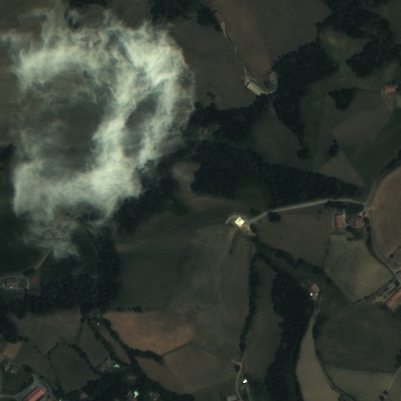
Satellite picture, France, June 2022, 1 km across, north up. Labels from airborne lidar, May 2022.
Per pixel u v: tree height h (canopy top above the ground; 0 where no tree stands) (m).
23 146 0
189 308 0
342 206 15
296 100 16
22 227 0
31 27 0
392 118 0
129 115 0
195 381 0
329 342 0
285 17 0
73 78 0
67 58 0
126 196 21
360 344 0
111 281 24
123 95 0
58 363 0
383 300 0
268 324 0
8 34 0
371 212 0
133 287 0
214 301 0
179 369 0
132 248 0
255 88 0
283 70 20
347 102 6
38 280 0
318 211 8
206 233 0
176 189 0
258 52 0
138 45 0
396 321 0
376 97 0
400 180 0
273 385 22
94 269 0
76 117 0
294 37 0
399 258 0
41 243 0
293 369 0
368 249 0
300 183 23
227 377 0
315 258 0
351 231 12
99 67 0
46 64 0
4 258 0
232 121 24
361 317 0
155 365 0
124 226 16
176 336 0
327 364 0
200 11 12
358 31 21
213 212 0
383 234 0
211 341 0
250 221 0
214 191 16
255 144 0
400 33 0
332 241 0
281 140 0
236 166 23
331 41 0
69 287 33
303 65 16
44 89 0
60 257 0
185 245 0
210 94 23
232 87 0
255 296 16
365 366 0
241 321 0
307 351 0
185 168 0
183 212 0
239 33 0
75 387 0
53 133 0
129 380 0
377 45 18
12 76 0
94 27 0
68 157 0
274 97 17
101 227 21
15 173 0
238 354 0
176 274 0
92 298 28
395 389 0
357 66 18
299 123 17
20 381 0
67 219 8
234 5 0
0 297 19
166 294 0
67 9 10
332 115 0
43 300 26
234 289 0
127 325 0
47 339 0
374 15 7
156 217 0
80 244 0
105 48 0
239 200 0
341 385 0
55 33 0
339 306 0
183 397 17
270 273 0
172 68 0
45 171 0
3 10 0
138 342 0
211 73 0
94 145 0
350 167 0
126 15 0
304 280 0
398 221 0
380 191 0
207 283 0
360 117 0
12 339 16
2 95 0
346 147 0
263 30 0
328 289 0
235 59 0
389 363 0
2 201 0
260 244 11
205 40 0
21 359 0
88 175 0
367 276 0
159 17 25
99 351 0
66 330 0
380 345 0
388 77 0
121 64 0
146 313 0
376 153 0
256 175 13
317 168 0
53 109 0
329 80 0
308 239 0
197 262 0
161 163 25
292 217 0
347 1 22
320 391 0
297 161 0
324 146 0
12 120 0
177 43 0
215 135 8
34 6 0
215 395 0
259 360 0
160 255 0
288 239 0
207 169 20
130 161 6
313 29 0
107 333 0
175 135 18
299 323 23
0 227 0
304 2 0
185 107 0
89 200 0
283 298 29
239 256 0
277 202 6
